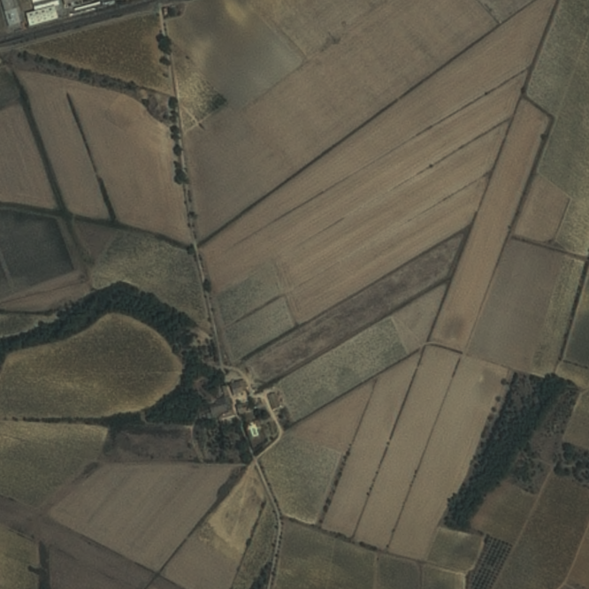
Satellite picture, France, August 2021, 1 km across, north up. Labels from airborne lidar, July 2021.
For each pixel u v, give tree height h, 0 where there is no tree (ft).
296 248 0
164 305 29
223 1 0
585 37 0
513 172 0
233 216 0
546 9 0
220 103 0
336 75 0
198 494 0
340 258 0
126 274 0
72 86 0
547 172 0
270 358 0
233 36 0
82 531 0
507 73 0
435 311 0
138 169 0
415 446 0
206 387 32
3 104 0
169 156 0
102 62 0
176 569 0
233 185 0
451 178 0
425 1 0
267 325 0
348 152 0
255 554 0
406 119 0
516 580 0
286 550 0
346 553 0
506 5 0
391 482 0
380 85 0
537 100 0
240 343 0
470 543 0
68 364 0
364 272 0
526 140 0
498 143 0
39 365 0
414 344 0
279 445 0
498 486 38
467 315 0
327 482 0
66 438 0
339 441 0
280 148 0
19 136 0
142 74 0
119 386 0
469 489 29
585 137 0
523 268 0
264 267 0
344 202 0
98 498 0
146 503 0
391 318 0
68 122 0
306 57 0
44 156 0
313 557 0
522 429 46
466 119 0
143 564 0
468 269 0
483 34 0
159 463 0
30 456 0
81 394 0
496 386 0
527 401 25
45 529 0
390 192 0
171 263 0
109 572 0
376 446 0
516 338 0
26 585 0
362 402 0
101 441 0
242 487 0
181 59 0
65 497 0
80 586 0
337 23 0
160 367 0
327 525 0
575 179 0
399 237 0
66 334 30
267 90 0
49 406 0
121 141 0
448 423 0
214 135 0
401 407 0
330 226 0
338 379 0
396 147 0
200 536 0
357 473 0
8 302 0
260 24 0
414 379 0
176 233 0
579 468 38
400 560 0
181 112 0
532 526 0
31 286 0
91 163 0
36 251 0
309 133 0
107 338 0
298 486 0
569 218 0
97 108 0
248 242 0
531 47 0
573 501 0
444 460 0
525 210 0
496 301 0
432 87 0
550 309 0
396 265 0
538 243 0
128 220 0
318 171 0
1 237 0
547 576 0
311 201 0
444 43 0
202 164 0
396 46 0
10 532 0
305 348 0
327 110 0
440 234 0
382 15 0
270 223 0
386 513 0
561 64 0
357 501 0
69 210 0
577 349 0
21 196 0
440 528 0
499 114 0
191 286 0
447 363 0
